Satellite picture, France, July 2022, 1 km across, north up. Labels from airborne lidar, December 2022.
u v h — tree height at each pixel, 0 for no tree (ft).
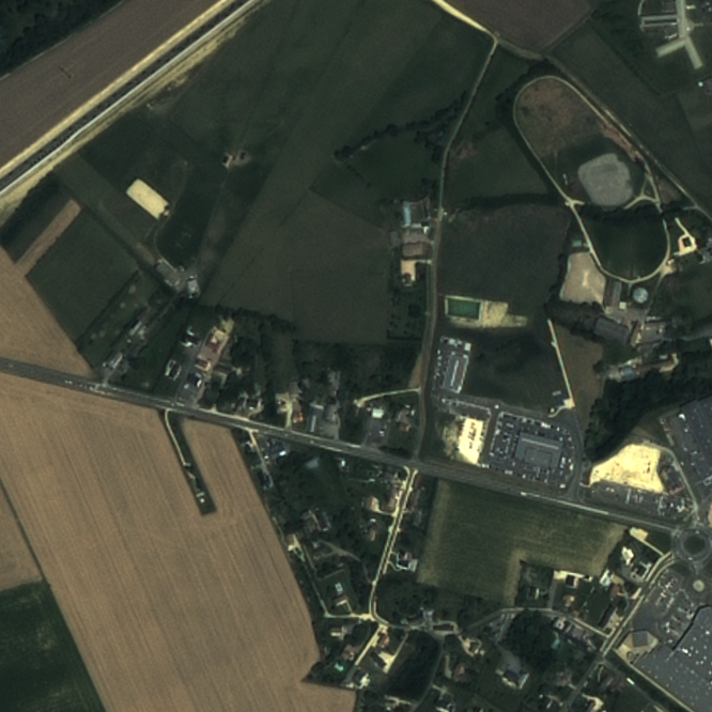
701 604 0
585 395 0
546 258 0
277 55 0
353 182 0
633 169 0
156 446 0
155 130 0
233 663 0
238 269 0
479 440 0
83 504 0
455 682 24
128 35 0
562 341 0
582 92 0
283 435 0
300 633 0
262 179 0
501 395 0
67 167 0
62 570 0
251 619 0
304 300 0
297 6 0
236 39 0
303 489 29
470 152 0
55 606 0
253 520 0
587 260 0
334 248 0
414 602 20
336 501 0
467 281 0
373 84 0
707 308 0
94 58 0
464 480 0
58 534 0
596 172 0
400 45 0
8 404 0
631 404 49
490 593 0
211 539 0
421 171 0
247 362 52
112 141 0
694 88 0
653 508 0
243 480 0
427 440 0
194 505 0
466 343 0
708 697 0
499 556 0
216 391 28
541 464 0
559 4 0
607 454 47
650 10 0
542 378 0
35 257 0
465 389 0
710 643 0
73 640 0
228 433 0
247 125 0
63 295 0
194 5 0
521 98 0
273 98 0
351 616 0
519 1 0
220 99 0
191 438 0
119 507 0
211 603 0
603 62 0
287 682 0
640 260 0
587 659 20
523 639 68
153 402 0
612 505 0
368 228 0
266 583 0
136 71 0
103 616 0
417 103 0
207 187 0
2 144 0
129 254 0
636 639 0
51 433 0
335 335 0
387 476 0
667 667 0
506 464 0
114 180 0
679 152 0
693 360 24
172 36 0
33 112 0
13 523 0
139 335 0
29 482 0
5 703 0
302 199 0
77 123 0
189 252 0
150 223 0
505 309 0
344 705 0
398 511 0
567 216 0
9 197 0
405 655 0
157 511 0
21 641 0
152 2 0
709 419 0
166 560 0
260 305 0
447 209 0
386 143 0
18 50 50
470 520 0
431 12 0
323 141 0
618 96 0
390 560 0
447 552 0
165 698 0
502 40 0
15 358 0
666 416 0
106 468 0
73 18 56
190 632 0
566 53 0
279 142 0
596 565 0
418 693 31
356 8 0
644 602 0
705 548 0
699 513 0
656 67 0
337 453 22
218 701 0
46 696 0
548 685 26
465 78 0
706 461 0
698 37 0
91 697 0
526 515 0
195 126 0
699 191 0
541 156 0
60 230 0
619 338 0
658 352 24
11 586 0
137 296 0
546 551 0
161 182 0
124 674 0
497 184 0
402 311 0
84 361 0
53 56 0
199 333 0
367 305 0
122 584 0
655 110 0
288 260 0
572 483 0
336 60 0
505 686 0
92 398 0
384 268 0
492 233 0
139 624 0
